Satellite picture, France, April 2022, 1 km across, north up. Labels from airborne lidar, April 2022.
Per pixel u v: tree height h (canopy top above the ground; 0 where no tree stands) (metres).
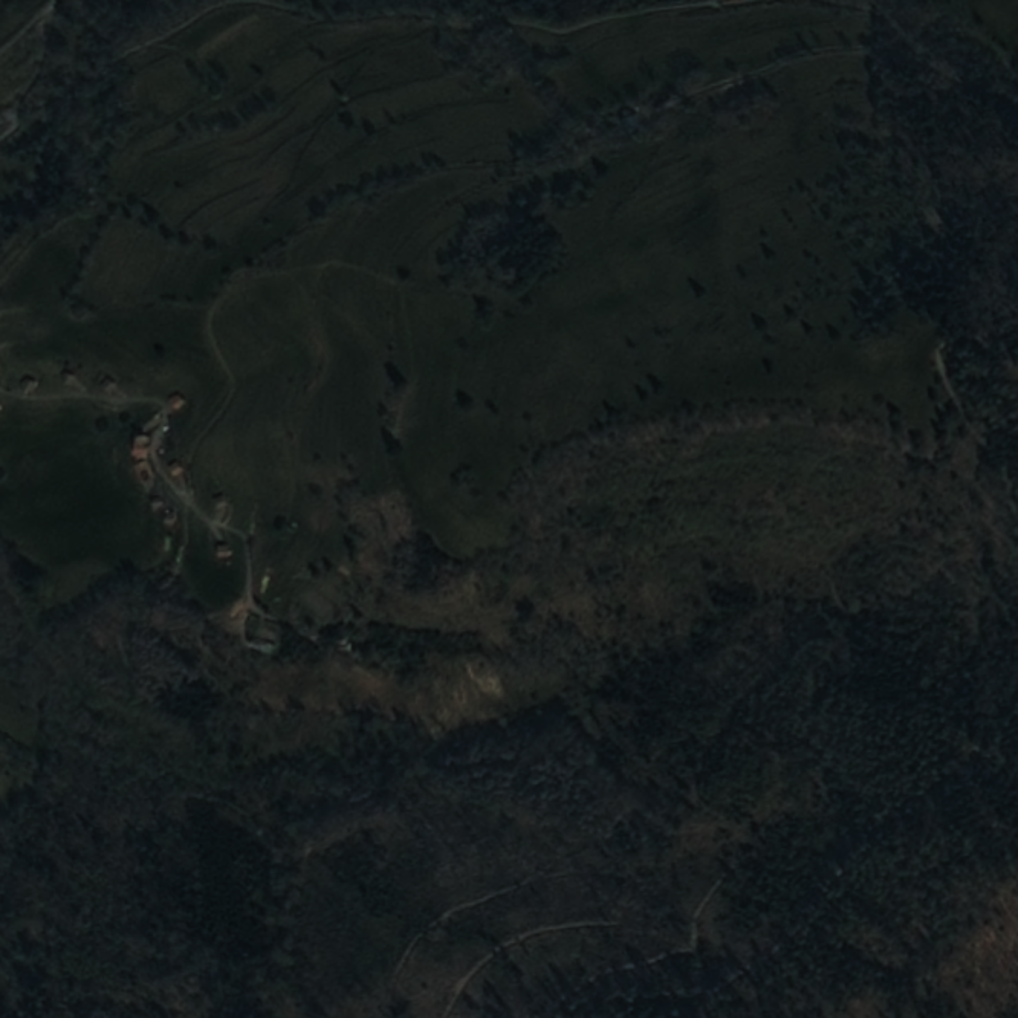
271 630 0
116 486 0
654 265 0
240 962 23
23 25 0
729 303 0
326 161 0
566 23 18
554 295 0
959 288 24
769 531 7
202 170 0
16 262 0
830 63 0
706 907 0
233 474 0
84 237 0
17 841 15
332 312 0
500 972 0
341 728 8
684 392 0
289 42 0
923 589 8
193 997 32
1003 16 0
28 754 12
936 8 16
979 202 19
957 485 9
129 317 0
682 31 0
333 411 0
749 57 0
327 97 0
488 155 0
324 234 0
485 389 0
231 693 6
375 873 6
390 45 0
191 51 0
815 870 6
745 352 0
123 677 19
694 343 0
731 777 8
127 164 0
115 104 17
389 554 0
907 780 16
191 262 0
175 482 0
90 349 0
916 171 7
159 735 8
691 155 0
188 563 0
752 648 7
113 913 7
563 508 8
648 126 14
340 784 27
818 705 10
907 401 0
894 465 11
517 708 0
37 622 14
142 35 21
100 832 9
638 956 0
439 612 0
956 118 33
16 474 0
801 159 0
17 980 9
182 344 0
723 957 0
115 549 0
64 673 18
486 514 0
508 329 0
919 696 10
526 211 22
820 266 7
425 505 0
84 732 7
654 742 7
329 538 0
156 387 0
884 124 12
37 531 0
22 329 0
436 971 0
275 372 0
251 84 0
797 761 8
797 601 8
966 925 21
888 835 21
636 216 0
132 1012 7
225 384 0
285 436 0
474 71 19
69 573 0
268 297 0
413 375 0
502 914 0
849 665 15
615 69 0
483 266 19
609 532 9
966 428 12
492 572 17
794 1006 22
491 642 0
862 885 28
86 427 0
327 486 0
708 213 0
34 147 12
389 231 0
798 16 0
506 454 0
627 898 30
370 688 0
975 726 6
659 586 9
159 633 23
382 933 0
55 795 15
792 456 10
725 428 23
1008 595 8
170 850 7
